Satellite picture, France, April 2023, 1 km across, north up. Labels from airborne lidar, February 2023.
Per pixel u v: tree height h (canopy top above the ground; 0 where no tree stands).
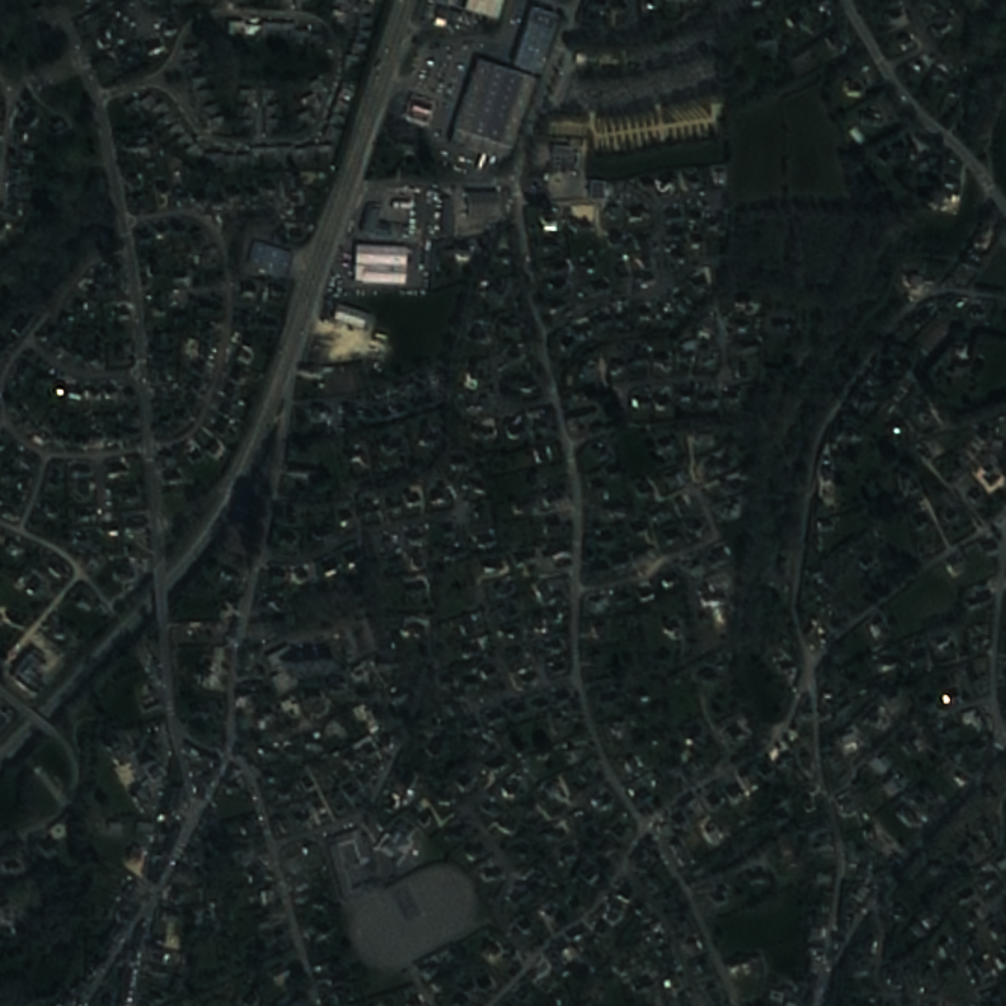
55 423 9
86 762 9
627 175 0
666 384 0
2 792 0
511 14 0
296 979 16
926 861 8
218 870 14
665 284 0
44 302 22
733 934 0
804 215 13
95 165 0
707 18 15
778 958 0
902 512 12
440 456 12
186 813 0
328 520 6
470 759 11
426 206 0
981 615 0
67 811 7
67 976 0
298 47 0
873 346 15
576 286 0
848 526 0
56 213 17
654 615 6
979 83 20
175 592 5
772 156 0
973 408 12
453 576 0
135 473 0
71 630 9
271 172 10
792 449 9
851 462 11
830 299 18
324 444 17
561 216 0
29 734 0
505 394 14
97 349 7
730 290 13
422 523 0
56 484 6
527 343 12
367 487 18
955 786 0
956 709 0
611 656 0
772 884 8
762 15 9
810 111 0
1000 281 0
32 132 0
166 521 0
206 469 0
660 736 13
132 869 0
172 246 0
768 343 12
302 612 13
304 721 0
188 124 0
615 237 0
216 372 0
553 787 0
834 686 7
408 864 0
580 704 6
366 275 0
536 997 0
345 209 0
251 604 0
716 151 0
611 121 9
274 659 0
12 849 11
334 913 6
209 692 0
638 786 0
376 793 0
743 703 17
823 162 0
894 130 7
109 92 0
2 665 12
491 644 7
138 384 0
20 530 0
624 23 0
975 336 8
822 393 20
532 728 0
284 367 0
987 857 0
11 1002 18
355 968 9
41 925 24
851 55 15
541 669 0
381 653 15
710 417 12
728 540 0
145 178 0
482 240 7
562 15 10
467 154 0
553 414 11
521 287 12
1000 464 10
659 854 7
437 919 0
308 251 0
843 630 14
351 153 0
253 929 0
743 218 11
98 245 24
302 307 0
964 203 0
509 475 0
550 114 16
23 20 21
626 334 10
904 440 11
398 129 15
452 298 0
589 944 7
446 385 15
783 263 7
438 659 11
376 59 0
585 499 0
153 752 7
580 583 0
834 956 9
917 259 0
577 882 7
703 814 0
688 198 0
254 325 6
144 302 0
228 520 16
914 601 0
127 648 11
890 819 0
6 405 8
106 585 9
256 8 8
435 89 0
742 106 12
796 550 16
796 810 0
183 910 8
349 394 0
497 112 0
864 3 9
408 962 0
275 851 0
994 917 7
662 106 13
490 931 0
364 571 15
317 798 6
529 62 0
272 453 16
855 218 14
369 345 0
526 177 0
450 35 0
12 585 0
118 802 0
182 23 0
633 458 0
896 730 6
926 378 14
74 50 0
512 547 6
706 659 6
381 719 19
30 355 7
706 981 0
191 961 8
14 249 14
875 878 8
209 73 15
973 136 14
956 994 0
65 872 17
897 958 10
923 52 0
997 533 14
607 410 18
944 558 0
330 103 0
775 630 15
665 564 0
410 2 0
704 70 0
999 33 17
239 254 13
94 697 19
